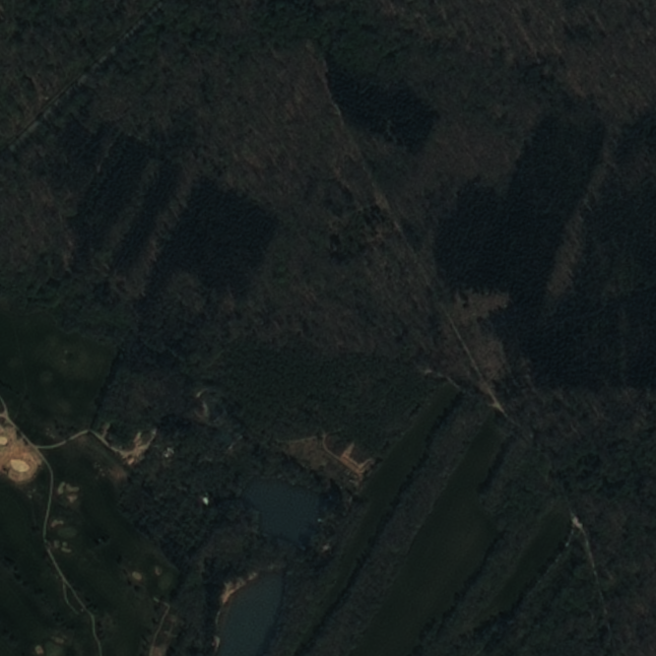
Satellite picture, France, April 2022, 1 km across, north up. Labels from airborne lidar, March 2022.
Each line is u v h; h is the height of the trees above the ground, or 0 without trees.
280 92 24
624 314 20
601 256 20
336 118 23
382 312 25
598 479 25
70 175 21
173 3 26
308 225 22
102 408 23
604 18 21
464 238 20
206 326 29
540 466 28
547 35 25
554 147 17
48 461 0
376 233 9
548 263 19
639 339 20
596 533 31
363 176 24
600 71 26
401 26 22
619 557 22
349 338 25
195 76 25
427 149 21
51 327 0
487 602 21
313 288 24
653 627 26
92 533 0
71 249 26
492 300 0
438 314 26
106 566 0
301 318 21
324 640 23
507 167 25
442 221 26
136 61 21
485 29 22
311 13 17
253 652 0
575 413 23
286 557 28
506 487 26
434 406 0
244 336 25
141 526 13
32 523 0
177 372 29
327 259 25
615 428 28
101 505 0
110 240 19
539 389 20
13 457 0
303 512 0
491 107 20
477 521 0
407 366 13
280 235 22
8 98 28
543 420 25
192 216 18
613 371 20
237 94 24
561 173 19
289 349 12
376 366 14
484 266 20
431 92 23
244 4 25
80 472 0
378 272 22
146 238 24
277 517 0
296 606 22
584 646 24
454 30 24
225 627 0
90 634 0
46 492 0
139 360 32
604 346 20
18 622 0
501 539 14
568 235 17
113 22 25
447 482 11
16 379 0
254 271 9
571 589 20
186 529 8
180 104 20
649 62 25
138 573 0
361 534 0
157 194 20
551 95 22
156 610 9
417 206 25
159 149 16
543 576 19
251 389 15
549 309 18
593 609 23
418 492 19
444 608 0
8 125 23
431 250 22
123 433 16
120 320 23
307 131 25
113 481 0
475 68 22
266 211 23
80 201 16
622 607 25
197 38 22
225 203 18
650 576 27
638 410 28
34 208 26
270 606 0
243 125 22
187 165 20
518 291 23
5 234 27
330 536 23
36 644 0
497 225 21
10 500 0
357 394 11
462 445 18
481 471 0
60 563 0
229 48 21
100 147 23
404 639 0
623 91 28
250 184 20
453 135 25
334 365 13
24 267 26
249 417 12
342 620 18
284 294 28
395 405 16
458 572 0
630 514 23
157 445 12
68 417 0
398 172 25
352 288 24
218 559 28
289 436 13
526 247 21
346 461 0
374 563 20
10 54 29
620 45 29
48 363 0
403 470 0
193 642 7
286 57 22
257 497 0
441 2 22
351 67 20
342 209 20
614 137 22
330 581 19
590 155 19
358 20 24
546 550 0
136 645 0
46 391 0
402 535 19
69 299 28
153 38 13
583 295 27
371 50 25
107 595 0
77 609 0
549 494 29
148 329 29
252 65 25
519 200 23
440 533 0
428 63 20
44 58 28
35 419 0
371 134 16
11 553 0
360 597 15
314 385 15
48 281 21
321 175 28
